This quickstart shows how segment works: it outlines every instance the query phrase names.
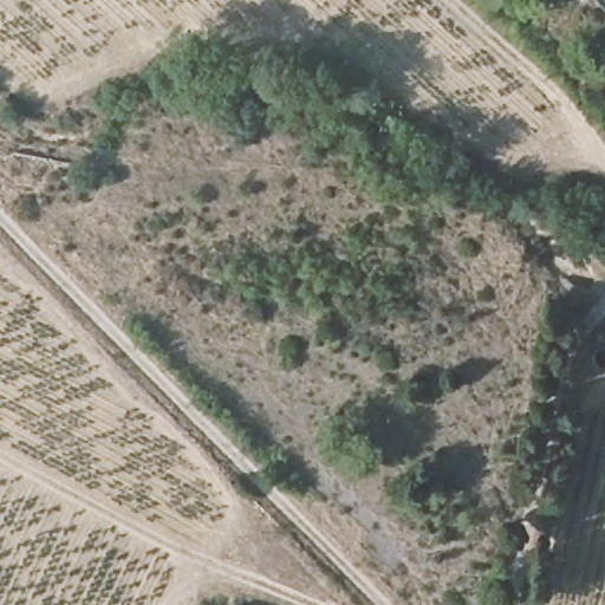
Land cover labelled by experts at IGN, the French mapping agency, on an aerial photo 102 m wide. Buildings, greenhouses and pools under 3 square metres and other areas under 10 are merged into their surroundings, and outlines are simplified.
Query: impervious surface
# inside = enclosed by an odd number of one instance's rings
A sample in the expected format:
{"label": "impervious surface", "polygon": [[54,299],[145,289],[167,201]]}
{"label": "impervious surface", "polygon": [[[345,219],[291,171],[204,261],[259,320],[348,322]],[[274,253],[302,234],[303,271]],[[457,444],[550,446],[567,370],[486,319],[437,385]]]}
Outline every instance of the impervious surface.
{"label": "impervious surface", "polygon": [[605,0],[579,0],[584,5],[581,14],[596,17],[600,31],[584,28],[577,33],[581,35],[586,54],[593,59],[596,69],[605,73]]}

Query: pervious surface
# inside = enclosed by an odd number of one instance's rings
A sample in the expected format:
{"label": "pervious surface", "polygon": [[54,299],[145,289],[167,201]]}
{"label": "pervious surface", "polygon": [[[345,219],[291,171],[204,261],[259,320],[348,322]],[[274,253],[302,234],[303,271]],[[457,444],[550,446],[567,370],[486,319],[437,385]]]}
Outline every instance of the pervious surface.
{"label": "pervious surface", "polygon": [[586,170],[605,173],[605,139],[577,109],[577,104],[570,99],[560,83],[546,76],[534,59],[529,59],[522,52],[522,47],[506,40],[501,31],[484,21],[463,0],[432,0],[447,19],[454,19],[454,24],[480,31],[487,38],[489,52],[494,54],[494,61],[499,61],[501,69],[520,71],[525,78],[536,83],[551,102],[560,104],[560,116],[570,123],[570,139],[579,149],[581,161],[588,165]]}
{"label": "pervious surface", "polygon": [[366,570],[357,567],[352,558],[305,513],[305,508],[298,506],[298,496],[281,492],[277,487],[269,492],[269,496],[284,510],[284,515],[291,522],[295,522],[298,529],[305,532],[314,541],[314,546],[376,605],[397,605],[366,574]]}
{"label": "pervious surface", "polygon": [[234,444],[232,435],[227,435],[210,416],[206,416],[191,402],[187,390],[154,354],[139,350],[123,328],[106,314],[102,303],[90,298],[90,293],[57,262],[57,258],[47,255],[24,232],[19,220],[14,220],[0,206],[0,225],[83,307],[83,312],[87,312],[121,345],[121,350],[154,383],[158,383],[168,392],[168,397],[194,421],[194,425],[199,425],[215,442],[215,447],[227,458],[232,458],[232,463],[241,473],[253,473],[260,470],[260,466],[248,454],[246,454],[239,444]]}
{"label": "pervious surface", "polygon": [[555,395],[567,388],[570,359],[588,328],[588,319],[593,324],[600,324],[605,317],[605,279],[593,281],[588,277],[572,277],[570,291],[546,300],[546,319],[553,333],[546,347],[558,354],[560,369],[558,376],[553,376],[548,364],[541,364],[539,369],[534,366],[532,402],[555,402]]}

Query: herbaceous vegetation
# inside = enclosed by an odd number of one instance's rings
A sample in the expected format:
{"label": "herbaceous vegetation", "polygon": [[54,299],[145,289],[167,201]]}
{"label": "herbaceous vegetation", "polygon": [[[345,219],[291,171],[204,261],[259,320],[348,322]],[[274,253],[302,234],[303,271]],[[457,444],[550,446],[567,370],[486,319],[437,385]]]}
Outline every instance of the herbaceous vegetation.
{"label": "herbaceous vegetation", "polygon": [[579,0],[539,0],[546,5],[546,14],[541,17],[539,28],[548,28],[558,45],[574,40],[577,33],[584,28],[600,31],[596,17],[581,14],[584,5]]}
{"label": "herbaceous vegetation", "polygon": [[258,487],[253,473],[241,473],[232,482],[232,487],[241,496],[248,496],[253,501],[267,496]]}
{"label": "herbaceous vegetation", "polygon": [[[461,548],[437,553],[435,562],[447,562],[470,551],[487,555],[487,551],[499,541],[501,527],[506,529],[506,541],[510,546],[506,555],[499,553],[499,567],[489,567],[487,560],[470,562],[470,567],[449,584],[449,591],[444,593],[447,605],[480,605],[482,584],[492,579],[501,581],[503,605],[522,605],[529,593],[527,572],[532,570],[532,565],[525,558],[539,544],[539,529],[532,525],[529,513],[539,508],[544,499],[544,487],[539,487],[536,482],[527,482],[532,473],[527,456],[534,454],[534,444],[527,437],[527,430],[536,428],[541,421],[539,411],[529,406],[532,402],[534,366],[532,354],[539,338],[539,321],[546,319],[546,300],[570,291],[572,277],[588,277],[593,281],[605,279],[605,265],[598,258],[591,258],[586,267],[577,267],[570,258],[555,258],[553,243],[558,241],[558,234],[555,229],[546,229],[536,217],[529,220],[529,225],[513,222],[510,215],[501,222],[487,222],[480,213],[470,215],[466,208],[456,208],[456,215],[449,215],[447,220],[432,217],[425,225],[423,213],[411,210],[406,227],[411,239],[416,241],[416,251],[406,251],[406,246],[397,246],[397,251],[385,248],[388,236],[383,232],[383,222],[395,220],[399,210],[383,208],[380,213],[376,213],[373,203],[364,201],[362,196],[354,196],[352,184],[338,180],[333,170],[303,168],[300,158],[293,154],[293,137],[272,135],[262,121],[251,128],[251,135],[243,139],[246,147],[241,147],[229,135],[217,135],[215,125],[203,123],[199,116],[175,116],[170,121],[168,113],[151,116],[142,128],[125,130],[125,142],[121,137],[111,137],[104,154],[90,154],[90,149],[80,147],[78,142],[102,135],[109,125],[106,111],[97,106],[92,99],[95,90],[69,97],[64,111],[45,97],[38,97],[35,92],[14,92],[9,87],[12,73],[5,66],[0,66],[0,206],[14,220],[19,220],[24,232],[47,255],[57,258],[57,262],[90,293],[90,298],[102,303],[106,314],[123,328],[128,319],[132,324],[139,324],[158,347],[158,352],[154,354],[187,390],[189,385],[196,385],[201,392],[215,397],[217,409],[225,409],[234,421],[234,428],[243,430],[243,435],[248,437],[251,447],[246,454],[248,454],[253,449],[272,447],[272,442],[279,437],[293,437],[293,449],[284,454],[284,461],[274,463],[274,480],[279,482],[277,487],[281,492],[298,496],[307,494],[312,487],[319,484],[317,468],[326,463],[317,444],[317,435],[331,425],[328,418],[345,418],[350,414],[357,414],[354,432],[359,437],[366,437],[369,447],[380,449],[385,466],[406,461],[411,468],[423,468],[423,482],[411,489],[409,499],[416,501],[416,510],[421,515],[435,515],[442,520],[440,525],[425,522],[425,532],[435,534],[442,544],[456,539],[466,541],[466,546]],[[350,331],[338,312],[326,317],[321,317],[319,310],[300,314],[295,307],[288,305],[281,288],[269,291],[272,303],[255,300],[262,321],[246,317],[239,298],[229,293],[227,284],[213,284],[201,279],[203,267],[225,269],[229,265],[234,269],[236,260],[251,241],[255,241],[258,248],[265,253],[286,251],[288,239],[281,239],[284,229],[291,229],[293,239],[305,243],[305,251],[312,260],[312,269],[328,269],[331,274],[338,274],[343,281],[350,281],[352,286],[364,286],[366,277],[362,272],[359,260],[345,262],[336,258],[336,248],[328,241],[336,232],[347,229],[350,236],[359,239],[359,243],[366,251],[376,251],[380,260],[399,265],[399,274],[390,274],[385,281],[385,286],[390,288],[392,307],[399,317],[392,317],[385,324],[359,319],[359,324]],[[281,369],[281,340],[284,340],[284,338],[288,338],[288,340],[291,340],[291,345],[293,345],[293,364],[298,366],[298,369],[293,369],[293,371],[286,371],[286,369]],[[399,378],[411,380],[411,414],[402,414],[390,404],[388,395],[395,392],[395,385],[380,378],[380,369],[376,364],[380,352],[388,354],[390,364],[399,369]]]}
{"label": "herbaceous vegetation", "polygon": [[560,175],[570,182],[572,189],[593,189],[600,196],[600,210],[588,232],[596,243],[605,246],[605,173],[586,170],[548,173],[544,170],[544,163],[529,158],[518,161],[515,165],[496,161],[501,149],[518,144],[525,135],[534,135],[536,130],[518,116],[494,118],[480,109],[456,106],[451,99],[428,109],[411,106],[414,92],[406,85],[404,73],[409,69],[423,69],[428,64],[425,50],[421,45],[421,33],[385,33],[371,24],[352,24],[352,17],[345,12],[331,17],[328,21],[319,21],[291,0],[234,0],[217,17],[208,19],[199,33],[201,38],[208,38],[210,28],[215,35],[220,35],[220,50],[229,57],[253,54],[262,47],[269,47],[272,54],[277,54],[277,59],[286,69],[312,71],[319,64],[324,64],[328,76],[340,85],[340,99],[350,99],[357,92],[378,95],[380,102],[376,104],[376,113],[343,111],[333,118],[333,123],[347,123],[362,130],[369,144],[369,161],[380,173],[385,173],[390,165],[390,142],[385,121],[397,118],[411,125],[416,132],[423,132],[440,144],[458,149],[468,158],[473,173],[477,177],[492,180],[499,194],[518,196],[520,191],[529,189],[551,191]]}

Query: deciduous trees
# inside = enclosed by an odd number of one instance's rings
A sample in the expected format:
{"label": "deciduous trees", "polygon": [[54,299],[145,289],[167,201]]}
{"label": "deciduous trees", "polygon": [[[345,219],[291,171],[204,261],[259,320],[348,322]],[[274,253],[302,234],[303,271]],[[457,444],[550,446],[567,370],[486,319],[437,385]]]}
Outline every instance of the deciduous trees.
{"label": "deciduous trees", "polygon": [[388,354],[380,352],[376,364],[380,369],[380,378],[395,385],[395,392],[388,395],[390,404],[402,414],[411,414],[411,380],[399,378],[399,369],[390,364]]}
{"label": "deciduous trees", "polygon": [[291,345],[291,340],[288,340],[288,338],[284,338],[284,340],[281,340],[281,369],[286,369],[286,371],[293,371],[293,369],[298,369],[298,366],[293,364],[293,345]]}
{"label": "deciduous trees", "polygon": [[385,466],[380,449],[369,447],[366,437],[359,437],[354,432],[357,414],[350,414],[345,418],[328,418],[331,425],[317,435],[317,444],[326,463],[333,466],[333,473],[343,475],[345,482],[359,482],[373,475],[380,466]]}
{"label": "deciduous trees", "polygon": [[551,191],[529,189],[520,191],[518,196],[499,194],[492,180],[477,177],[473,173],[468,158],[458,149],[440,144],[423,132],[416,132],[411,125],[397,118],[385,121],[390,142],[390,165],[385,173],[380,173],[369,161],[369,144],[362,130],[347,123],[333,123],[333,118],[343,111],[376,113],[376,104],[380,102],[378,95],[357,92],[350,99],[340,99],[340,85],[328,76],[324,64],[319,64],[312,71],[286,69],[277,59],[277,54],[272,54],[269,47],[262,47],[253,54],[229,57],[220,50],[220,35],[215,35],[210,28],[208,38],[201,38],[199,33],[189,38],[187,50],[173,50],[168,45],[137,73],[109,78],[99,83],[95,90],[92,99],[97,106],[106,111],[109,125],[102,135],[78,142],[80,147],[90,149],[90,154],[104,154],[111,137],[121,137],[125,142],[125,130],[142,128],[151,116],[168,113],[170,121],[175,116],[199,116],[203,123],[215,125],[217,135],[229,135],[241,147],[246,147],[243,139],[251,135],[251,128],[262,121],[272,135],[293,137],[293,154],[300,158],[303,168],[333,170],[338,180],[352,184],[354,196],[362,196],[364,201],[373,203],[376,213],[380,213],[383,208],[399,210],[395,220],[383,222],[383,232],[388,236],[385,248],[397,251],[397,246],[406,246],[406,251],[416,251],[416,241],[411,239],[406,227],[411,210],[423,213],[425,225],[432,217],[447,220],[449,215],[456,215],[456,208],[466,208],[470,215],[480,213],[487,222],[501,222],[510,215],[513,222],[529,225],[529,220],[536,217],[546,229],[555,229],[558,234],[558,241],[553,243],[555,258],[570,258],[577,267],[586,267],[591,258],[598,258],[605,265],[605,246],[596,243],[588,232],[600,210],[600,196],[593,189],[572,189],[570,182],[560,175]]}
{"label": "deciduous trees", "polygon": [[312,269],[312,260],[305,251],[305,243],[293,239],[291,229],[284,229],[281,239],[288,239],[286,251],[265,253],[258,248],[255,241],[251,241],[236,260],[234,269],[229,265],[225,269],[203,267],[201,279],[213,284],[227,284],[229,293],[239,298],[246,317],[262,321],[255,300],[272,303],[269,291],[281,288],[288,305],[295,307],[300,314],[319,310],[321,317],[326,317],[338,312],[350,331],[359,324],[359,319],[385,324],[392,317],[399,317],[392,307],[390,288],[385,286],[385,281],[390,274],[399,274],[399,265],[380,260],[376,251],[366,251],[359,243],[359,239],[350,236],[347,229],[336,232],[328,241],[336,248],[336,258],[345,262],[359,260],[362,272],[366,277],[364,286],[352,286],[350,281],[343,281],[338,274],[331,274],[328,269]]}
{"label": "deciduous trees", "polygon": [[243,435],[243,430],[234,428],[234,421],[225,409],[217,409],[215,397],[201,392],[196,385],[189,385],[187,390],[191,402],[206,416],[210,416],[227,435],[232,435],[234,444],[239,444],[246,454],[251,447],[248,437]]}
{"label": "deciduous trees", "polygon": [[411,489],[423,482],[423,468],[411,468],[409,473],[395,480],[385,480],[383,489],[390,496],[388,515],[392,515],[399,525],[409,527],[411,532],[425,532],[425,522],[440,525],[442,520],[435,515],[421,515],[416,510],[416,501],[409,499]]}
{"label": "deciduous trees", "polygon": [[503,605],[501,581],[492,579],[482,584],[480,605]]}
{"label": "deciduous trees", "polygon": [[487,560],[489,567],[499,567],[499,553],[506,555],[510,546],[506,541],[506,529],[501,527],[499,541],[487,551],[487,555]]}
{"label": "deciduous trees", "polygon": [[541,364],[548,364],[553,376],[558,376],[560,369],[558,354],[546,347],[553,333],[546,319],[539,321],[539,338],[532,354],[534,366],[539,369]]}
{"label": "deciduous trees", "polygon": [[132,324],[128,319],[123,328],[139,350],[154,354],[158,352],[158,347],[139,324]]}
{"label": "deciduous trees", "polygon": [[274,463],[284,461],[284,454],[293,449],[293,437],[279,437],[272,442],[272,447],[253,449],[248,454],[260,466],[260,470],[253,473],[258,487],[267,496],[269,496],[269,492],[277,487],[279,482],[274,480]]}
{"label": "deciduous trees", "polygon": [[529,59],[534,59],[546,76],[560,83],[570,99],[577,104],[577,109],[605,139],[605,73],[596,69],[593,59],[586,54],[581,35],[577,33],[574,40],[558,45],[548,28],[539,28],[541,17],[546,14],[546,5],[539,0],[463,0],[484,21],[501,31],[506,40],[522,47],[522,52]]}

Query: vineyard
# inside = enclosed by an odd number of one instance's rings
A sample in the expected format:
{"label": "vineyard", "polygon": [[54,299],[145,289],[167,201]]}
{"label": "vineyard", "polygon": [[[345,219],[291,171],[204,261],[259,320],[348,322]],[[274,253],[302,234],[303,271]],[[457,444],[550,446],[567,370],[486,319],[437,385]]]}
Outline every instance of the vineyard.
{"label": "vineyard", "polygon": [[588,319],[588,328],[570,359],[567,388],[555,395],[555,402],[532,402],[529,406],[539,411],[541,421],[536,428],[527,430],[527,437],[534,444],[534,454],[527,456],[532,473],[527,482],[536,482],[539,487],[544,487],[544,499],[539,508],[529,513],[532,525],[539,529],[539,544],[525,558],[532,565],[532,570],[527,572],[529,593],[522,605],[605,605],[605,317],[600,324],[593,324]]}
{"label": "vineyard", "polygon": [[428,64],[423,69],[409,69],[404,73],[406,85],[414,92],[411,106],[428,109],[451,99],[456,106],[480,109],[494,118],[518,116],[536,130],[534,135],[525,135],[518,144],[501,149],[496,161],[515,165],[518,161],[529,158],[544,163],[544,170],[548,173],[586,170],[588,165],[581,161],[579,149],[570,139],[570,123],[560,116],[560,104],[551,102],[536,83],[525,78],[520,71],[501,69],[499,61],[494,61],[494,54],[489,52],[487,38],[480,31],[454,24],[454,19],[447,19],[432,0],[291,0],[319,21],[328,21],[331,17],[345,12],[352,17],[352,24],[371,24],[385,33],[421,33],[421,45],[425,50]]}
{"label": "vineyard", "polygon": [[253,501],[248,496],[241,496],[232,487],[232,482],[241,473],[232,463],[232,458],[227,458],[215,447],[215,442],[199,425],[194,425],[194,421],[168,397],[168,392],[158,383],[154,383],[121,350],[121,345],[87,312],[83,312],[83,307],[0,225],[0,605],[376,605],[314,546],[314,541],[305,532],[298,529],[295,522],[291,522],[284,515],[284,510],[269,496],[267,496]]}
{"label": "vineyard", "polygon": [[298,506],[305,508],[305,513],[352,558],[357,567],[366,570],[366,574],[397,605],[447,605],[444,593],[449,591],[449,584],[470,567],[470,562],[487,560],[487,555],[470,551],[447,562],[435,562],[437,553],[461,548],[466,546],[466,541],[456,539],[442,544],[435,534],[425,532],[411,532],[409,527],[399,525],[392,515],[388,515],[390,496],[383,489],[385,480],[395,480],[409,473],[411,468],[406,461],[385,466],[380,466],[373,475],[359,482],[345,482],[343,475],[333,473],[333,466],[326,463],[317,468],[319,484],[312,487],[307,494],[298,496]]}
{"label": "vineyard", "polygon": [[38,97],[45,97],[64,111],[69,97],[95,90],[99,83],[109,78],[137,73],[168,45],[173,50],[187,50],[189,38],[199,33],[208,19],[217,17],[234,0],[0,0],[0,66],[5,66],[12,73],[9,87],[14,92],[35,92]]}

